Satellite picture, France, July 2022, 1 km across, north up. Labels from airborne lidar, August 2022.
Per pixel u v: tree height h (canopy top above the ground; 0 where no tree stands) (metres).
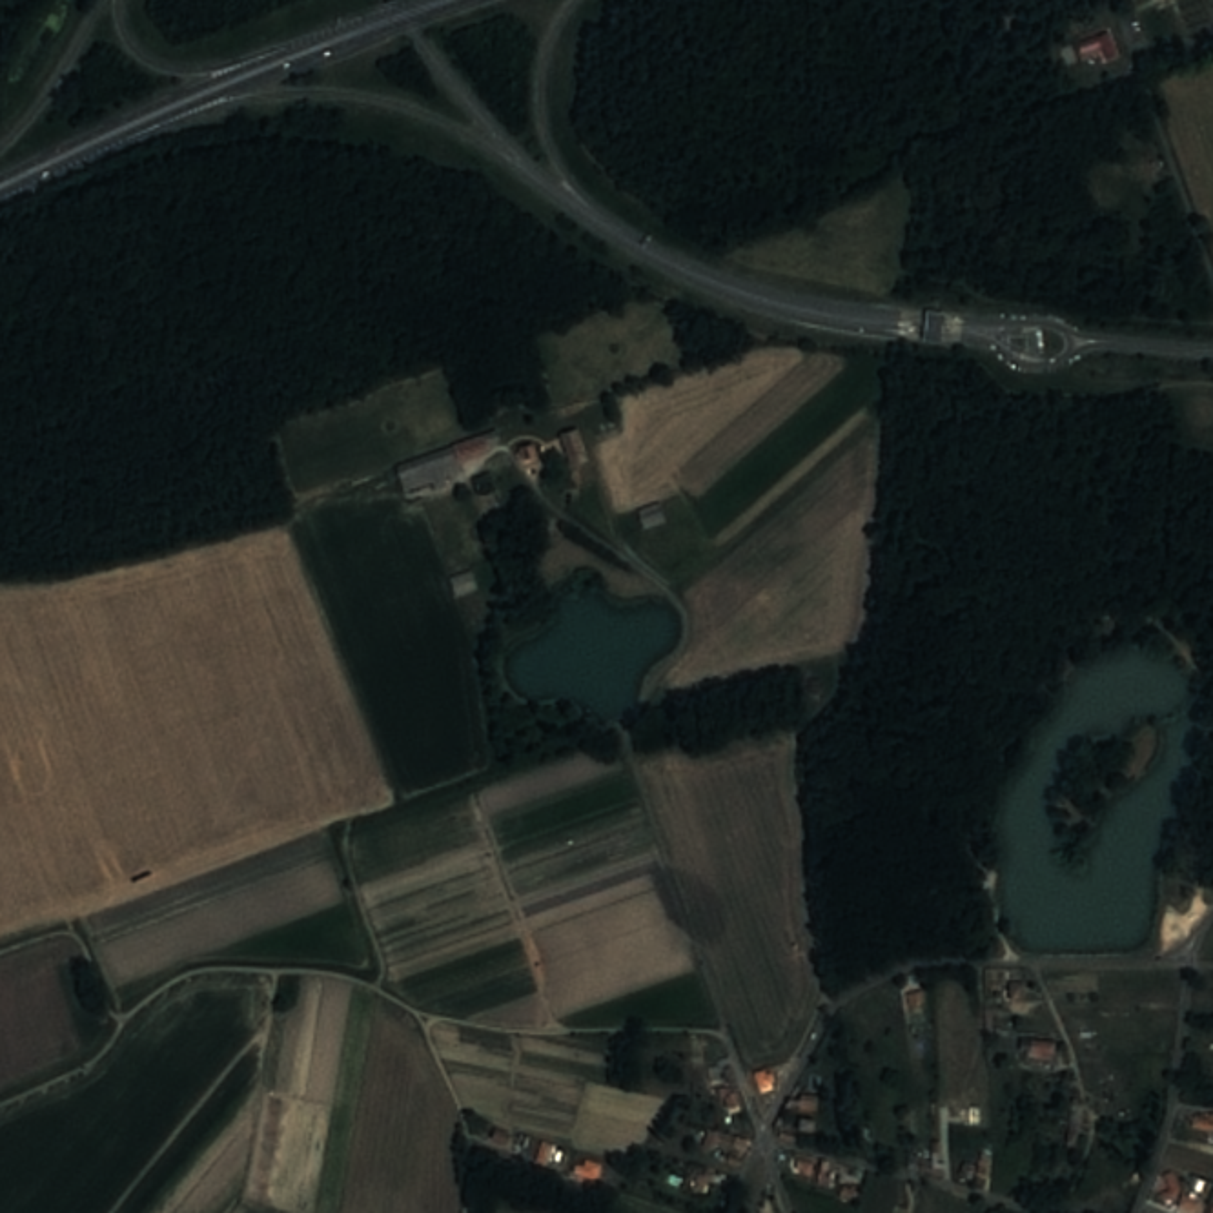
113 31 0
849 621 0
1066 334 0
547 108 0
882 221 0
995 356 0
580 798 0
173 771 0
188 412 19
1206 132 0
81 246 19
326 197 19
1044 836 0
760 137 14
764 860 0
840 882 24
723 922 0
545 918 0
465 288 20
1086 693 0
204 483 19
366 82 0
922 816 28
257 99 0
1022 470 25
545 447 0
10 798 0
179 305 21
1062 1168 10
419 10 0
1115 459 22
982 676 25
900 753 29
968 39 23
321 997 0
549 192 0
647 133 12
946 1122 0
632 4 21
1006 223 20
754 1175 0
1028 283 19
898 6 19
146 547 14
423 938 0
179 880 0
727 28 13
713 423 0
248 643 0
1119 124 20
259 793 0
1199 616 21
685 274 0
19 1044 0
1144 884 0
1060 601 24
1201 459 15
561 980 0
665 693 0
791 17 16
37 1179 0
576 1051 0
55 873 0
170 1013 0
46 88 0
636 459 0
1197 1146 0
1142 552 21
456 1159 8
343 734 0
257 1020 0
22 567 18
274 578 0
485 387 18
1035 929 0
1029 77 20
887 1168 17
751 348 6
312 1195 0
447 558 0
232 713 0
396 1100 0
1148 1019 0
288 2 8
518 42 9
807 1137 13
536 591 18
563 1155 0
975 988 8
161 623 0
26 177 0
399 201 12
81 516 17
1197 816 23
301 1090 0
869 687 13
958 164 19
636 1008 0
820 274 0
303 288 20
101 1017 20
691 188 16
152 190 22
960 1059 0
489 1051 0
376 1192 0
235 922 0
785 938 0
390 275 15
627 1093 8
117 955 0
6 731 0
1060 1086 8
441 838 0
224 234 22
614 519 0
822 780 24
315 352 18
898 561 24
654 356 0
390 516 0
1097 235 22
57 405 16
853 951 23
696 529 0
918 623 27
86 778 0
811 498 0
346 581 0
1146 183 0
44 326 19
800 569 0
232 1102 0
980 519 27
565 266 21
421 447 0
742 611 0
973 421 18
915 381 20
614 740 14
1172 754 0
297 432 0
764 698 21
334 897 0
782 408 0
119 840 0
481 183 19
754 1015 0
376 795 0
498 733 12
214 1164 0
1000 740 21
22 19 19
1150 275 17
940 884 23
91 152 0
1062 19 20
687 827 0
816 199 17
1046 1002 0
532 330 17
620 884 0
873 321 0
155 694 0
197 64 0
